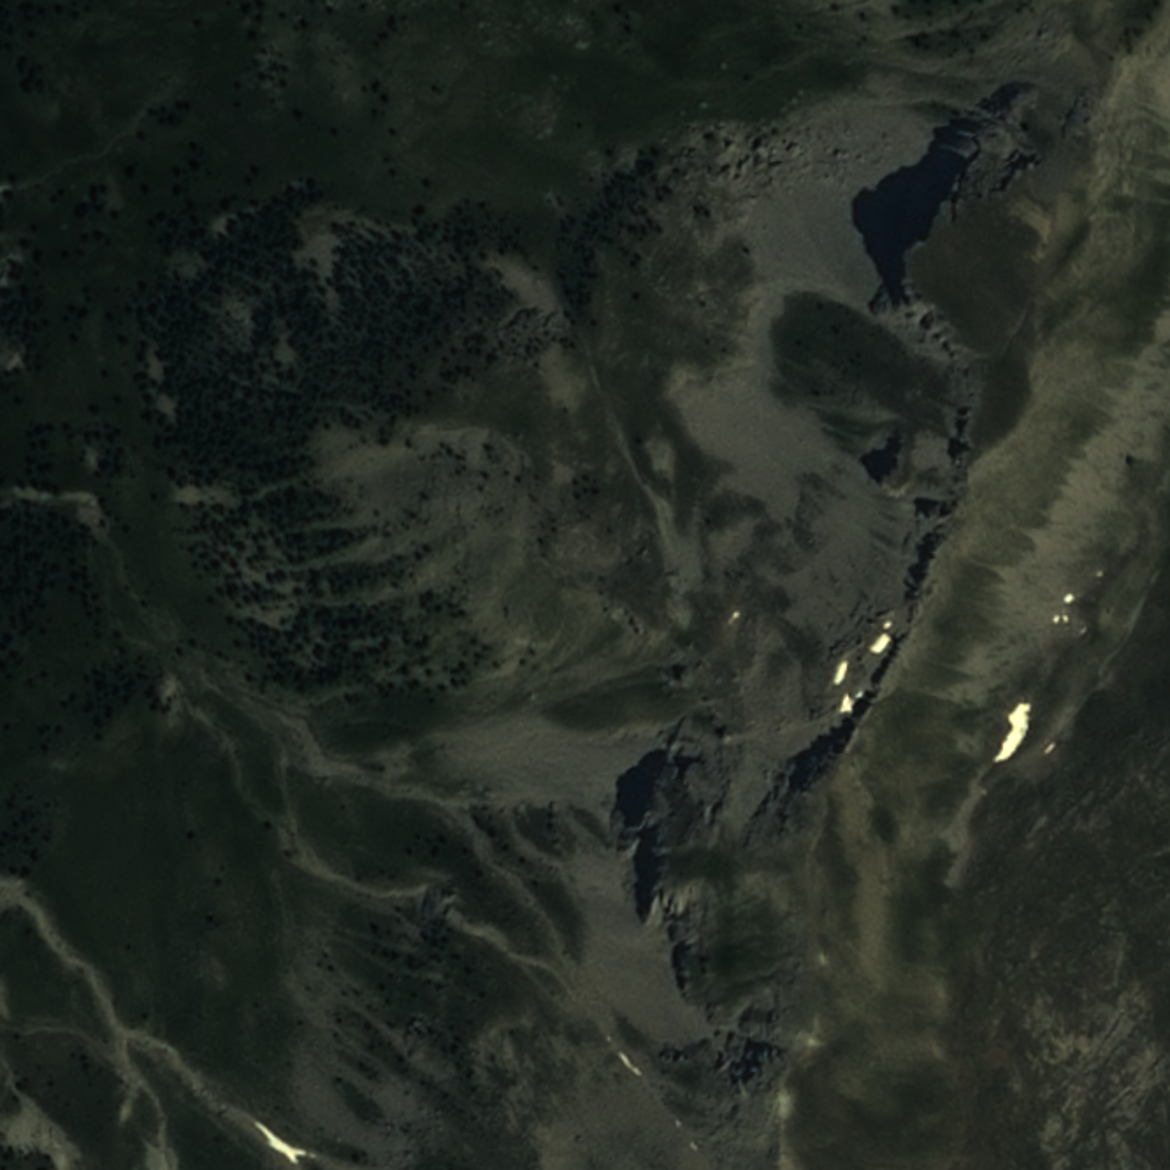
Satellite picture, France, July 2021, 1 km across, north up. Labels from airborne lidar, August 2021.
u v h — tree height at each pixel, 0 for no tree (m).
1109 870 0
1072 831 0
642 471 0
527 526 0
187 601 0
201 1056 0
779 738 0
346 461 0
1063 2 0
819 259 0
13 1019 0
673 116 0
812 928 0
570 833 0
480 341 9
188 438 11
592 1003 0
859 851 0
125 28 0
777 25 0
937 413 0
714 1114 0
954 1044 0
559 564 0
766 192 0
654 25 0
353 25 0
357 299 14
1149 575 0
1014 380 0
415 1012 0
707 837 0
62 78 0
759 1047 0
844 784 0
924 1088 0
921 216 0
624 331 0
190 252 7
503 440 0
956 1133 0
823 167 0
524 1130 0
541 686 0
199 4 0
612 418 0
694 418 0
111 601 0
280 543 12
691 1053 0
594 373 0
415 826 0
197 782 0
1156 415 0
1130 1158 0
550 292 0
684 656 0
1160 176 0
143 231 0
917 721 0
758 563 0
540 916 0
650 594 0
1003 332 0
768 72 0
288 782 0
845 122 0
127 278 0
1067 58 0
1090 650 0
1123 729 0
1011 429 0
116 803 0
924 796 0
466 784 0
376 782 0
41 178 0
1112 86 0
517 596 0
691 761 0
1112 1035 0
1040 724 0
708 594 0
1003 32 0
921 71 0
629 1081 0
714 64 0
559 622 0
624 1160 0
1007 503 0
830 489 0
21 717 0
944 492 0
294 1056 0
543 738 0
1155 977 0
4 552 9
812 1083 0
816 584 0
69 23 0
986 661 0
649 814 0
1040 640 0
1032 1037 0
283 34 0
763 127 0
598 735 0
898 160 0
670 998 0
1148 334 0
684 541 0
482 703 0
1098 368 0
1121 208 0
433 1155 0
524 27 0
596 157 0
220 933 0
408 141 0
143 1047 0
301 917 0
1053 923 0
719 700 0
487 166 0
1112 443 0
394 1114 0
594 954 0
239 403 13
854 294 0
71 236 0
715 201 0
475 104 0
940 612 0
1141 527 0
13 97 0
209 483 9
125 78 0
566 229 8
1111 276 0
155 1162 0
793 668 0
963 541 0
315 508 9
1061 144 0
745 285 0
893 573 0
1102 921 0
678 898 0
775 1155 0
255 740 0
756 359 0
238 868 0
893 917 0
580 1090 0
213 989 0
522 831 0
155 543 0
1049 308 0
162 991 0
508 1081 0
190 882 0
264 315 9
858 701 0
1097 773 0
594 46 0
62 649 0
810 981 0
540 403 0
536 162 0
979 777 0
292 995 0
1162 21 0
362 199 0
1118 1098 0
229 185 0
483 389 0
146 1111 0
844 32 0
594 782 0
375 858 0
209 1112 0
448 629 0
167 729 0
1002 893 0
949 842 0
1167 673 0
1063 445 0
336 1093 0
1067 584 0
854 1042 0
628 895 0
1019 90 0
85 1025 0
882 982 0
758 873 0
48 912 0
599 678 0
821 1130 0
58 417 0
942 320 0
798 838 0
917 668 0
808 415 0
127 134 0
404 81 0
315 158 0
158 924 0
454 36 0
